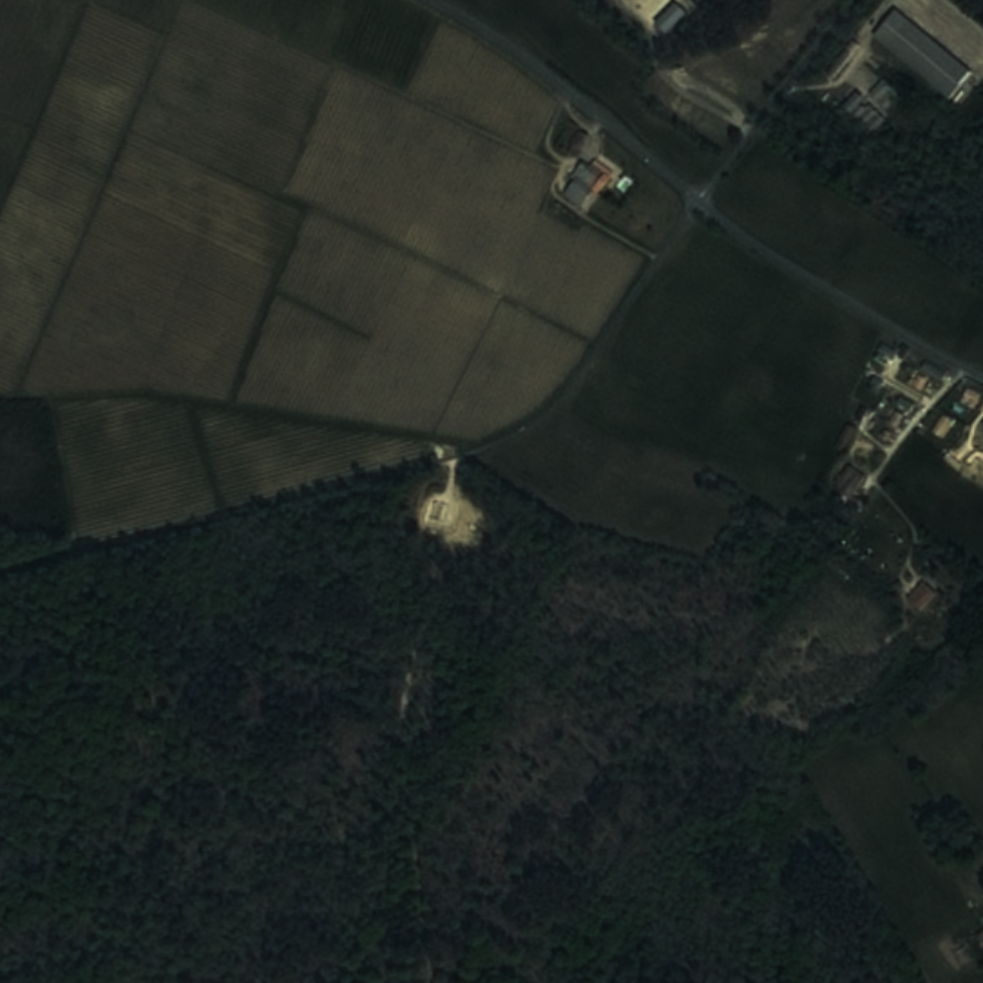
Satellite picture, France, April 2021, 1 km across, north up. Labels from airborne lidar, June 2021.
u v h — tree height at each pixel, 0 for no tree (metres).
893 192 7
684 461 0
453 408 0
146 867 16
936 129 10
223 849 8
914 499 0
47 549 17
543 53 0
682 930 18
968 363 0
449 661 20
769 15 16
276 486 0
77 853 23
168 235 0
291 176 0
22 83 0
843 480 0
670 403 0
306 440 0
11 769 18
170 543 19
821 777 0
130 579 22
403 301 0
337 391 0
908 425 0
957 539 0
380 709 9
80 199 0
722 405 0
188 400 0
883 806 0
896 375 0
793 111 18
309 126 0
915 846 0
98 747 18
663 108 15
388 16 0
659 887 21
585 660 16
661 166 0
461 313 0
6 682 12
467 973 16
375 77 0
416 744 17
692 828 24
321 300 0
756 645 13
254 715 9
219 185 0
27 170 0
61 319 0
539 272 0
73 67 0
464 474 15
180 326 0
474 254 0
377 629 11
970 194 17
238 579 20
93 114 0
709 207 0
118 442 0
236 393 0
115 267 0
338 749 14
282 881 19
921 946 0
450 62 0
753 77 0
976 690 0
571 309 0
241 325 0
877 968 12
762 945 18
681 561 13
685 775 12
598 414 0
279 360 0
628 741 9
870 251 0
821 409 0
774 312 0
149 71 0
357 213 0
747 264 0
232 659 19
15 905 16
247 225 0
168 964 12
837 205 0
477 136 0
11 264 0
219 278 0
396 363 0
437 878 16
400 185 0
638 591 19
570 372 0
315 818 11
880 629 15
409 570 21
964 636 20
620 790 20
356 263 0
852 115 11
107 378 0
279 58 0
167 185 0
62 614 20
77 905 21
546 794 14
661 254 0
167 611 19
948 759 0
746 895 19
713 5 17
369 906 18
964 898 0
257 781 13
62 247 0
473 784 19
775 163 0
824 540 22
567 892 25
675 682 19
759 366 0
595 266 0
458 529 0
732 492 11
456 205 0
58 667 22
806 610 13
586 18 11
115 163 0
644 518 0
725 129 0
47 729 22
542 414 0
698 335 0
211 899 23
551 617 17
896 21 0
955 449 0
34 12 0
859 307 0
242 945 15
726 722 16
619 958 16
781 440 0
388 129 0
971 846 11
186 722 9
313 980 14
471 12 0
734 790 23
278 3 0
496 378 0
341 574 17
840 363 0
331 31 0
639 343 0
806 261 0
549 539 22
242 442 0
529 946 15
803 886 27
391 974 15
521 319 0
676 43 14
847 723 16
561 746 12
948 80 0
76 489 0
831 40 14
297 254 0
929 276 0
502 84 0
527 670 19
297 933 22
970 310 0
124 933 18
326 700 15
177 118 0
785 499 0
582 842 20
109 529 0
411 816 14
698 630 13
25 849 15
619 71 0
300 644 12
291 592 26
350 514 18
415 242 0
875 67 0
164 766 18
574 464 0
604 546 14
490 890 16
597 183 0
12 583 22
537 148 0
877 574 6
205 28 0
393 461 0
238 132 0
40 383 0
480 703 22
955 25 0
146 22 0
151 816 18
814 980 23
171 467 0
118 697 19
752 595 9
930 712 15
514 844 18
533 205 0
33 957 14
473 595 16
